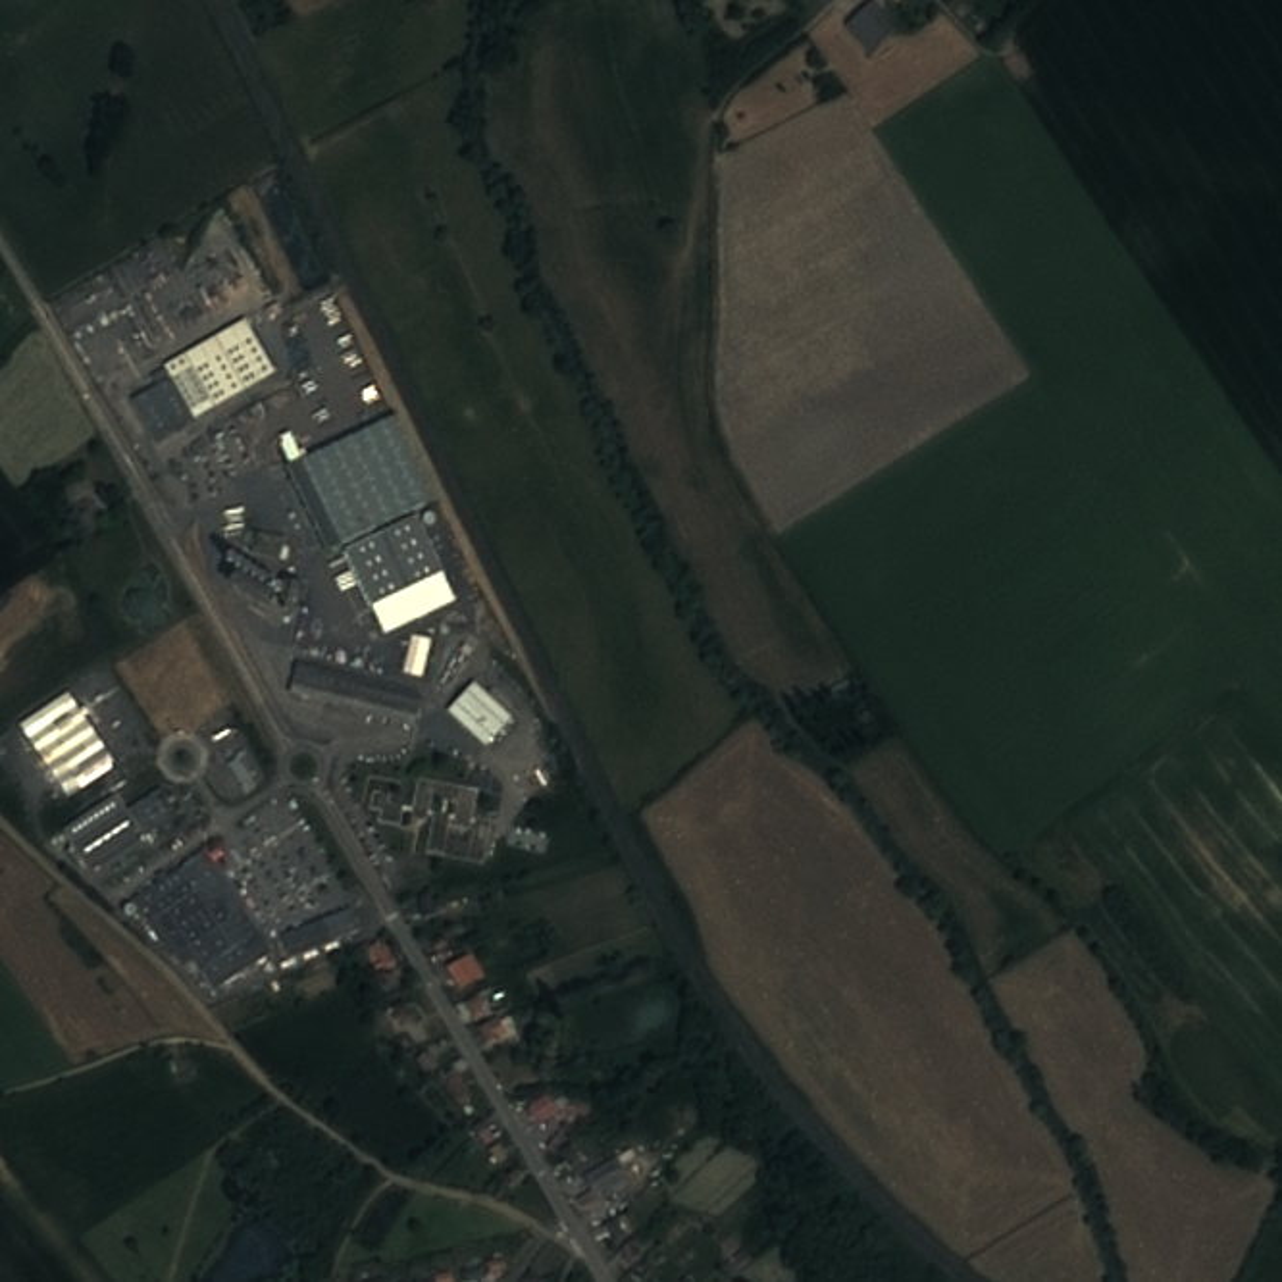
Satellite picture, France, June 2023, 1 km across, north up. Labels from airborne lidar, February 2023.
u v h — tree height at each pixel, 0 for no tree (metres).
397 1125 0
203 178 0
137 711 0
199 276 0
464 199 0
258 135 0
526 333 0
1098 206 0
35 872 0
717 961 0
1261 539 0
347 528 0
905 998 0
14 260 0
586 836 0
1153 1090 9
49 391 0
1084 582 0
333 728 0
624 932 0
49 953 0
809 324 0
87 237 0
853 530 0
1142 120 0
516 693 0
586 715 0
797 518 0
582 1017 0
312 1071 0
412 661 0
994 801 0
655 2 0
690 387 0
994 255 0
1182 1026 0
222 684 0
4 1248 0
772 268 0
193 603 0
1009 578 0
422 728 0
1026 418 0
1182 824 0
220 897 0
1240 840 0
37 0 0
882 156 0
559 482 0
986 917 0
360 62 0
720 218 0
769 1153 14
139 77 0
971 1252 0
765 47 6
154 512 0
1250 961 0
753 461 0
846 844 0
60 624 0
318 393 0
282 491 0
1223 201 0
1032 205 0
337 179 0
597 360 0
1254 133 0
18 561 0
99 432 0
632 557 0
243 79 0
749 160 0
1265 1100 0
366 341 0
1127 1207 0
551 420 0
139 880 0
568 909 0
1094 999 0
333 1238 9
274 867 0
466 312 0
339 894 0
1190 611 0
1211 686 0
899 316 0
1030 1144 0
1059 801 0
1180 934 0
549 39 0
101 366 0
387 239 0
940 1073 0
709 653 12
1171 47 0
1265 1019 0
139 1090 0
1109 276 0
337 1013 0
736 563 0
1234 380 0
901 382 0
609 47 0
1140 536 0
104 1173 0
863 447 0
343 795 0
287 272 0
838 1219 16
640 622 0
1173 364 0
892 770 0
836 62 0
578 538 0
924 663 0
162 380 0
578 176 0
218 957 0
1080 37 0
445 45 0
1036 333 0
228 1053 0
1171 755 0
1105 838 0
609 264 0
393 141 0
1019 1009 0
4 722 0
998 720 0
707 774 0
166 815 0
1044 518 0
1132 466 0
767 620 0
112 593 0
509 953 0
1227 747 0
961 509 0
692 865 0
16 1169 0
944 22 0
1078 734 0
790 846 0
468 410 0
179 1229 0
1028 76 0
